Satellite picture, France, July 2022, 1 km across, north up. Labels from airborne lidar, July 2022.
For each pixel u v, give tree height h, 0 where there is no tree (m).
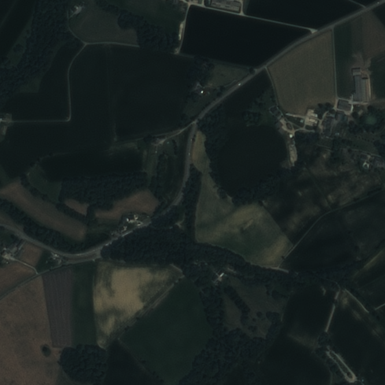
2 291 0
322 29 0
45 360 0
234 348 24
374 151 0
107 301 0
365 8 0
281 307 0
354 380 0
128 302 0
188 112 0
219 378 25
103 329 0
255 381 10
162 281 0
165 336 0
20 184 0
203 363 23
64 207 15
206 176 0
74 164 0
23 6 0
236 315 0
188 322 0
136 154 0
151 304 0
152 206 0
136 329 0
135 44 0
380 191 9
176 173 0
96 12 0
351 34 0
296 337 0
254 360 21
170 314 0
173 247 15
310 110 0
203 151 0
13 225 0
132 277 0
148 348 0
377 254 0
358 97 0
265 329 0
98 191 23
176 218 27
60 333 0
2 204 25
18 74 20
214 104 0
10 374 0
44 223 0
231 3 0
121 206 0
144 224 0
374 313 22
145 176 15
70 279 0
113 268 0
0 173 0
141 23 29
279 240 0
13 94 19
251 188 6
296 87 0
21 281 0
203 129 19
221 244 0
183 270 8
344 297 0
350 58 0
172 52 17
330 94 0
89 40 0
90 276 0
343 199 0
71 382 0
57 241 16
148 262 21
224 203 0
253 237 0
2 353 0
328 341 20
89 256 0
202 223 0
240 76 0
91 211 22
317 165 0
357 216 0
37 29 19
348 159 0
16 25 0
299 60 0
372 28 0
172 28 0
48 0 20
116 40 0
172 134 0
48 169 0
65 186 19
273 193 18
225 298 0
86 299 0
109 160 0
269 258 0
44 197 14
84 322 0
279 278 21
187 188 15
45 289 0
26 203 0
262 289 0
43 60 30
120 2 0
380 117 6
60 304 0
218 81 0
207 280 21
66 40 25
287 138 0
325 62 0
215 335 6
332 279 20
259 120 29
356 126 20
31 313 0
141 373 0
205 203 0
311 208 0
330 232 0
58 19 8
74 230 0
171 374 0
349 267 20
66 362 22
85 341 0
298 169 16
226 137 23
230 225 0
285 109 0
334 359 8
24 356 0
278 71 0
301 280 23
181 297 0
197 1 0
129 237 20
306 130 0
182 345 0
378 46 0
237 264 17
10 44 0
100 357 30
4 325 0
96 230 0
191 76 26
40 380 0
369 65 0
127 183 24
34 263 0
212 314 23
